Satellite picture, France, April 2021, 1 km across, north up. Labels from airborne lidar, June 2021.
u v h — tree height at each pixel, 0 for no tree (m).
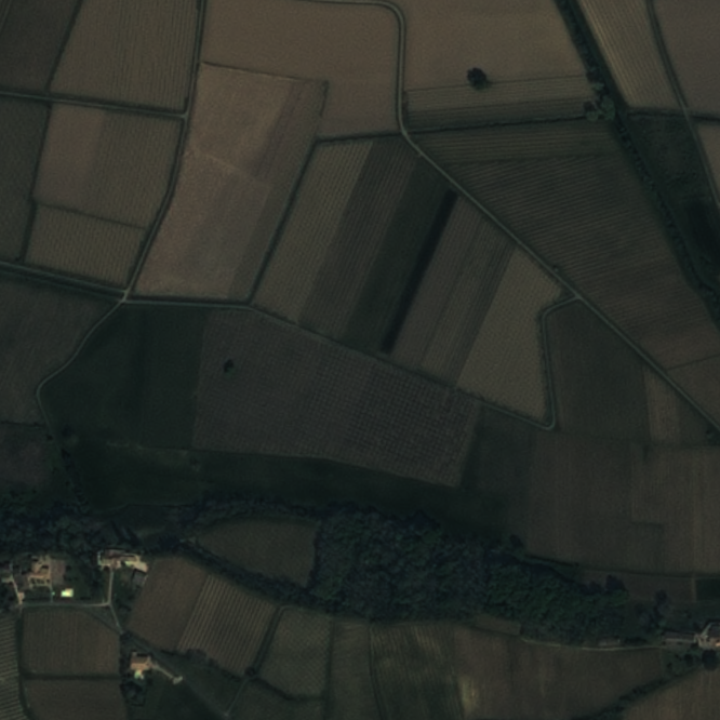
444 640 0
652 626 6
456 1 0
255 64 0
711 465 0
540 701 0
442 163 0
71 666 0
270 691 14
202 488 0
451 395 14
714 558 0
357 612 20
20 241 0
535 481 0
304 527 0
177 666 0
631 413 0
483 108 0
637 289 0
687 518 0
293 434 12
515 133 0
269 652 0
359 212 0
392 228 0
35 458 0
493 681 0
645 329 0
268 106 0
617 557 0
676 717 0
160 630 0
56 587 0
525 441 0
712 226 0
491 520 0
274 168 0
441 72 0
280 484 0
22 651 0
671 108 0
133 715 0
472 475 0
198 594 0
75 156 0
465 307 0
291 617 0
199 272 0
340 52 0
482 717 0
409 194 0
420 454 17
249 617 0
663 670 0
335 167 0
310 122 0
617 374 0
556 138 0
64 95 0
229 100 0
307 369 17
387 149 0
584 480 0
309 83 0
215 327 13
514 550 8
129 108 0
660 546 0
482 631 0
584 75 0
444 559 20
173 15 0
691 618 9
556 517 0
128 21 0
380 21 0
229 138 0
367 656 0
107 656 0
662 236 0
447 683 0
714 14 0
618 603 19
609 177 0
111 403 0
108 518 0
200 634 0
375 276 0
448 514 0
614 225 0
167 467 0
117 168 0
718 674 0
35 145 0
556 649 0
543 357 0
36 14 0
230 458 0
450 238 0
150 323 0
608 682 0
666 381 0
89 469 0
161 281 0
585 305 0
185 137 0
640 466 0
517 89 0
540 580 28
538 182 0
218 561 7
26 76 0
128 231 0
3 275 0
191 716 0
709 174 0
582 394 0
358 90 0
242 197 0
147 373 0
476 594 24
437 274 0
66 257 0
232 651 0
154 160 0
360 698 0
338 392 17
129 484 0
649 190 8
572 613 22
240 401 14
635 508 0
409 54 0
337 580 18
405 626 0
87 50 0
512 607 12
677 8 0
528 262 0
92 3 0
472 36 0
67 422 0
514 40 0
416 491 0
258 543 0
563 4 8
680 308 0
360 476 0
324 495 0
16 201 0
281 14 0
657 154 0
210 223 0
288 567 0
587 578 0
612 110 20
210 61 0
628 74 0
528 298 0
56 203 0
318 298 0
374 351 0
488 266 0
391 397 15
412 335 0
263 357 16
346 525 24
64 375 0
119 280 0
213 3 0
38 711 0
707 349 0
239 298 0
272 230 0
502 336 0
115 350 0
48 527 18
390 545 16
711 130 0
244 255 0
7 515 6
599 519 0
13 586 6
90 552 9
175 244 0
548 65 0
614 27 0
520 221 0
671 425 0
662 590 0
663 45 0
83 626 0
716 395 0
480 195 0
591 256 0
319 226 0
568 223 0
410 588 23
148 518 0
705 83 0
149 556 8
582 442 0
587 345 0
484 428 0
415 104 0
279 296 0
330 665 0
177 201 0
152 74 0
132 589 0
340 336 0
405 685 0
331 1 0
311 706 0
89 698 0
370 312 0
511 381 0
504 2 0
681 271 0
